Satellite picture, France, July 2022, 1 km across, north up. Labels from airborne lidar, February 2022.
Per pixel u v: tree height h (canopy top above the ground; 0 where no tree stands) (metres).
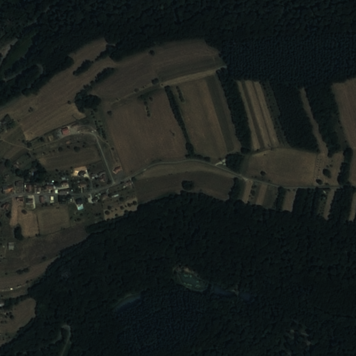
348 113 0
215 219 29
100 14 27
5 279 0
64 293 26
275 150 0
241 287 20
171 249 34
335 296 10
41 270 0
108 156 0
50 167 0
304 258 25
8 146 0
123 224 22
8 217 18
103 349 12
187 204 26
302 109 10
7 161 11
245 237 32
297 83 29
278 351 21
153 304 20
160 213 30
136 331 24
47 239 0
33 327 19
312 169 0
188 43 0
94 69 0
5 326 0
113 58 20
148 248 29
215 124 0
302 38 28
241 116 17
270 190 0
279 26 26
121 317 24
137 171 0
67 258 24
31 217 0
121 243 28
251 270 25
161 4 24
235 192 16
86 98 11
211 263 22
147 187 0
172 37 18
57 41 28
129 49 24
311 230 29
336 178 0
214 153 0
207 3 25
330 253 29
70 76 0
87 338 24
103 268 30
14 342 20
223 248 25
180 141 0
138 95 0
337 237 28
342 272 33
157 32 27
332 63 27
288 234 29
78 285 29
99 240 22
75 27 28
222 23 30
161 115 0
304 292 19
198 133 0
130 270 24
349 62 26
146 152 0
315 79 26
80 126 0
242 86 0
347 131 0
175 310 26
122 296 25
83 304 30
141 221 24
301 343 28
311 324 23
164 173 0
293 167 0
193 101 0
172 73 0
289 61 31
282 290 27
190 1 25
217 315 23
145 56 0
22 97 0
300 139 13
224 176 0
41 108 0
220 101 0
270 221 32
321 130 8
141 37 30
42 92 0
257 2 28
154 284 22
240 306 23
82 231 0
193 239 19
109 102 0
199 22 26
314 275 27
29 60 23
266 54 28
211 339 13
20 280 0
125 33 21
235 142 0
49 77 15
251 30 29
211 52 0
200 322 19
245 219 29
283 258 31
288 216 22
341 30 25
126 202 0
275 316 23
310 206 6
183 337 22
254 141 0
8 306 9
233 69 30
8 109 0
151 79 0
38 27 21
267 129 0
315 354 34
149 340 22
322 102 23
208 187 0
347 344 24
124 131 0
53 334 27
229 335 28
